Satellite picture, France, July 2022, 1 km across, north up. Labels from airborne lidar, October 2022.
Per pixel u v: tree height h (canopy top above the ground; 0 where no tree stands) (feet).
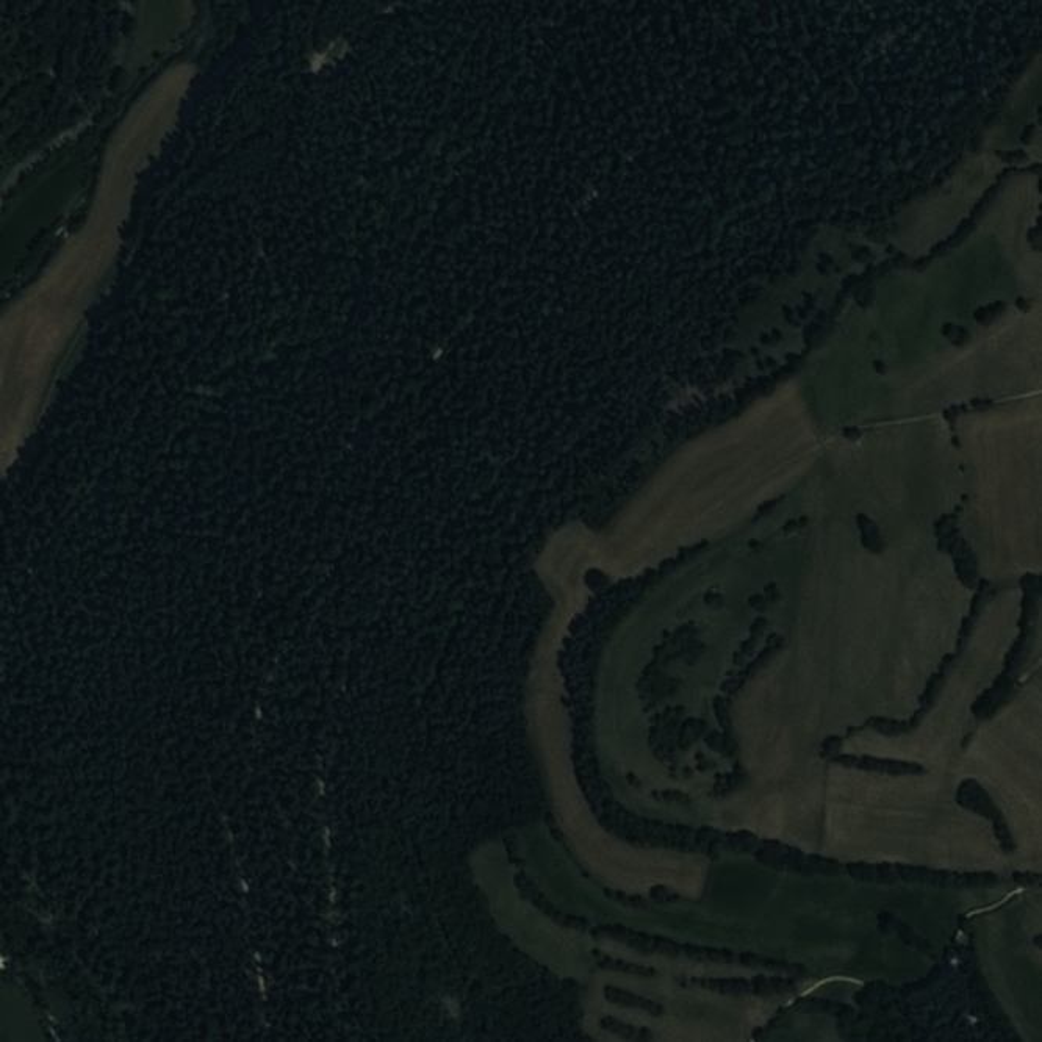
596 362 68
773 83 96
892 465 0
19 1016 0
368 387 73
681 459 0
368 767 66
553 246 77
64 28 62
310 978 28
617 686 0
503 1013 48
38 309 0
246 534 97
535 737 0
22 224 0
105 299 0
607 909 0
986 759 0
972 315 0
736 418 34
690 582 0
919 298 0
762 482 0
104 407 69
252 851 81
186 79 0
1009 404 0
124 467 75
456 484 92
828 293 0
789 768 0
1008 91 45
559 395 26
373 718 90
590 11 26
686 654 19
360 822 81
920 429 0
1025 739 0
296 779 72
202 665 79
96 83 91
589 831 0
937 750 0
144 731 66
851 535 0
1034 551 0
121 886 39
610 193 74
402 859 33
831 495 0
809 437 0
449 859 54
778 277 61
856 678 0
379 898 41
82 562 60
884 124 117
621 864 0
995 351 0
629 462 73
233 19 47
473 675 57
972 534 0
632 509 0
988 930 0
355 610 80
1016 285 0
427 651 77
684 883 0
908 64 26
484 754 55
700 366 63
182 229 75
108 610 73
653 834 73
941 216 0
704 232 93
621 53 85
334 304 74
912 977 0
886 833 0
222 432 64
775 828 0
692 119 101
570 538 0
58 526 61
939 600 0
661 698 23
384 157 99
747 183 70
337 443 101
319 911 78
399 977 52
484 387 97
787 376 52
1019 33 69
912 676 0
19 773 87
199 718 73
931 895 0
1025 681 0
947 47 86
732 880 0
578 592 0
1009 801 0
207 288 85
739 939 0
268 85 83
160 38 0
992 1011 52
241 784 50
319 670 98
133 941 45
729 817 0
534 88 82
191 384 33
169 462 89
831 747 47
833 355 0
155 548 95
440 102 77
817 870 54
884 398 0
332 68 0
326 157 114
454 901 54
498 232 72
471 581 71
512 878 0
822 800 0
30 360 0
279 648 82
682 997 0
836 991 0
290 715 91
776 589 33
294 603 79
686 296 52
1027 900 0
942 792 0
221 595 54
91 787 58
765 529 0
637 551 0
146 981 30
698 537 0
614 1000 31
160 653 73
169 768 84
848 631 0
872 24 52
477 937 43
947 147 43
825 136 71
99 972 49
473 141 63
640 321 47
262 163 88
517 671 82
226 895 86
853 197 66
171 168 45
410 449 76
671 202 83
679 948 62
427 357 71
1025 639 37
